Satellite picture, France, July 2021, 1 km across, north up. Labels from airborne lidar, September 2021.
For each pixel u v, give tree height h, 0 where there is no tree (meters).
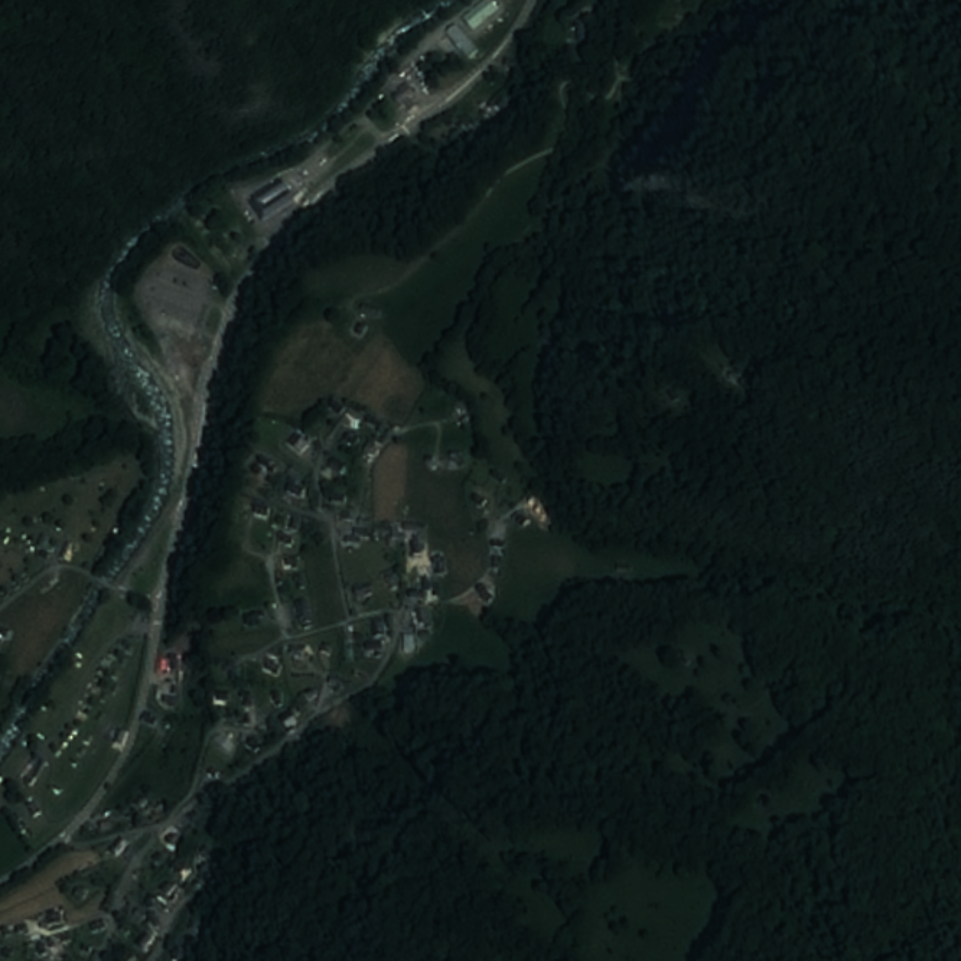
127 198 22
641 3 15
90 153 13
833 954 13
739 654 0
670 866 8
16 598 0
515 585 0
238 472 20
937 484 25
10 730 0
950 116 31
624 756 13
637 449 19
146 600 17
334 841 22
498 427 0
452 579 0
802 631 35
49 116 16
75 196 21
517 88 21
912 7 17
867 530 24
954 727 21
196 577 26
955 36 15
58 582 0
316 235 20
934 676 30
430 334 0
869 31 24
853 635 40
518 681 22
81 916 0
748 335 22
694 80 11
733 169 18
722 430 18
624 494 22
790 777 21
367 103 16
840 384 17
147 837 0
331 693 0
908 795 30
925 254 27
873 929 30
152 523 0
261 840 22
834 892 14
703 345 15
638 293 29
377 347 0
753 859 27
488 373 12
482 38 0
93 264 26
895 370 20
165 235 21
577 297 32
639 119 30
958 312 11
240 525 0
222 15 16
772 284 26
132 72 30
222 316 0
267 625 0
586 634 21
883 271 11
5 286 28
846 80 27
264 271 21
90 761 0
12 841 0
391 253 18
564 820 19
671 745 19
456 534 0
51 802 0
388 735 23
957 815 34
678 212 29
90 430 22
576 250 25
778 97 38
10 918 0
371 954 23
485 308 22
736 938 30
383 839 38
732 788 25
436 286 0
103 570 18
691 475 24
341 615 0
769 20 28
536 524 0
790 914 16
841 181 22
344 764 25
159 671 0
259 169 22
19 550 0
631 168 18
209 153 24
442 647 0
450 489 0
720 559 27
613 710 26
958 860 28
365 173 18
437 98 0
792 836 27
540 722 20
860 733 35
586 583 15
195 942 25
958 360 20
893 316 23
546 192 16
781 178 18
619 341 33
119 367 0
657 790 26
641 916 0
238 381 16
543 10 10
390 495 0
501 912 35
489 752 24
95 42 22
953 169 20
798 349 28
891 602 18
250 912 25
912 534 28
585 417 25
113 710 0
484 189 15
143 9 26
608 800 24
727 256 18
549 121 16
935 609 20
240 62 18
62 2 24
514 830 19
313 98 20
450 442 0
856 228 27
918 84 28
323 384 0
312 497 8
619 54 18
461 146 23
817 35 18
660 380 11
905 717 34
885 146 25
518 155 21
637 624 19
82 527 0
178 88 26
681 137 15
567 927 11
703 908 0
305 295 6
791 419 23
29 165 13
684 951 0
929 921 12
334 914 21
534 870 13
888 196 29
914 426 18
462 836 13
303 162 11
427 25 13
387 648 0
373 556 0
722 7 10
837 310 23
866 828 31
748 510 18
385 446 0
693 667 0
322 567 0
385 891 29
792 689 11
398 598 9
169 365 0
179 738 0
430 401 0
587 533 17
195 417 0
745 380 11
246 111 19
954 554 19
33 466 23
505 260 17
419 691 34
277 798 20
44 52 15
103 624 0
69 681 0
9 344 18
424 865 33
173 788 0
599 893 0
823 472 25
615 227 19
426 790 13
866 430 21
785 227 23
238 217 0
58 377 22
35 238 30
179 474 0
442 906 28
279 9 17
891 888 29
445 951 23
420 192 20
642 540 27
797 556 28
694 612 19
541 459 26
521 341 0
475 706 33
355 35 18
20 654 0
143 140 24
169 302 0
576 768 28
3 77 19
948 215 20
